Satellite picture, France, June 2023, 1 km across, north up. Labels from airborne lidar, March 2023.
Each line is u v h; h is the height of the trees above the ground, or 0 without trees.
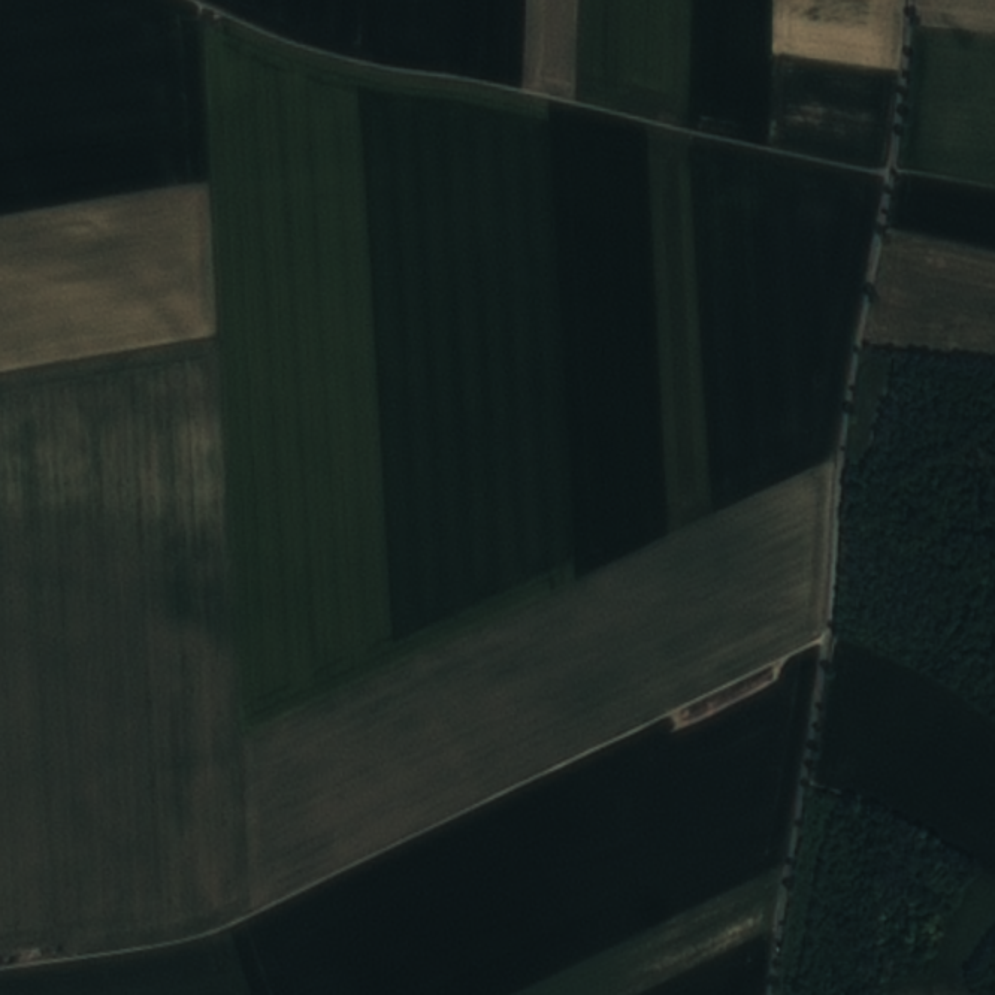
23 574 0
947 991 0
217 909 0
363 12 0
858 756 0
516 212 0
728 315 0
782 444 0
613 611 0
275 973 0
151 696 0
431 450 0
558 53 0
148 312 0
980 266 0
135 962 0
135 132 0
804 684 0
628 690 0
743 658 0
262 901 0
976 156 0
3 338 0
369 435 0
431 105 0
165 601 0
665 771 0
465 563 0
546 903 0
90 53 0
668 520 0
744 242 0
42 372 0
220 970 0
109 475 0
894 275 0
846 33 0
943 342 0
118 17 0
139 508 0
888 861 14
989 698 14
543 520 0
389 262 0
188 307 0
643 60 0
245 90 0
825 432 0
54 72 0
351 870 0
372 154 0
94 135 0
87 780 0
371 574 0
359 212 0
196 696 0
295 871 0
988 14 0
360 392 0
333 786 0
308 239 0
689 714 0
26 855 0
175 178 0
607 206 0
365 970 0
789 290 0
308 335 0
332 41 0
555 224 0
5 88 0
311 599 0
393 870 0
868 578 19
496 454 0
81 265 0
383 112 0
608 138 0
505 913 0
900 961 16
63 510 0
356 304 0
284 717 0
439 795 0
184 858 0
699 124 0
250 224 0
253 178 0
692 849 0
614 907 0
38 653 0
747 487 0
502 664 0
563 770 0
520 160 0
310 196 0
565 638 0
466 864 0
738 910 0
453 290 0
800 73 0
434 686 0
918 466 20
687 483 0
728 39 0
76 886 0
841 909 9
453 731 0
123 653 0
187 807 0
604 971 0
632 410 0
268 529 0
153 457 0
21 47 0
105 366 0
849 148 0
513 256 0
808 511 0
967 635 18
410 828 0
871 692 0
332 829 0
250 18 0
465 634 0
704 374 0
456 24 0
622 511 0
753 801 0
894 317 0
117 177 0
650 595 0
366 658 0
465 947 0
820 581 0
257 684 0
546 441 0
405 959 0
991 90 0
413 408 0
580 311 0
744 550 0
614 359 0
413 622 0
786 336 0
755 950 0
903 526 13
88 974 0
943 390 11
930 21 0
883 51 0
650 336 0
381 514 0
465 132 0
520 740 0
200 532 0
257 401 0
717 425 0
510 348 0
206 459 0
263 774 0
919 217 0
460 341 0
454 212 0
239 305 0
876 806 17
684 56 0
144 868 0
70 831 0
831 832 10
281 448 0
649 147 0
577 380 0
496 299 0
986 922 0
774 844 0
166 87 0
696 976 0
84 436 0
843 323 0
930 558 17
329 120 0
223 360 0
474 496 0
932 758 0
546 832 0
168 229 0
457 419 0
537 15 0
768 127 0
